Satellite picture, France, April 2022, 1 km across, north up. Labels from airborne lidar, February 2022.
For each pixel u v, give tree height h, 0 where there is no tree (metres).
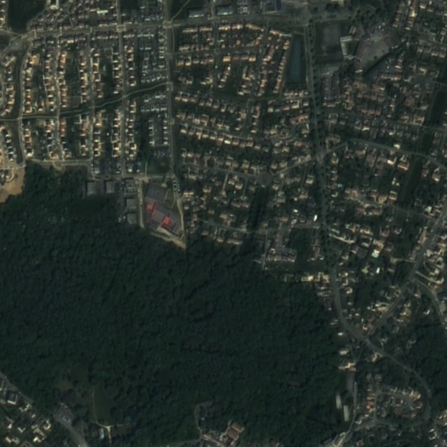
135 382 28
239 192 7
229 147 0
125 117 0
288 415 20
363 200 0
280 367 28
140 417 25
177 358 23
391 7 16
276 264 0
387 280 13
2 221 19
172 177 0
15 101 0
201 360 27
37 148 0
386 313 0
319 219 8
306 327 25
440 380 22
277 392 24
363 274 11
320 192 9
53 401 17
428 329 17
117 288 18
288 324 21
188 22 0
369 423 0
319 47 0
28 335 32
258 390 28
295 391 18
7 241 23
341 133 7
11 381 19
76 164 0
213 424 12
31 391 19
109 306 20
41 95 0
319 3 0
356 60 0
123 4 0
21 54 0
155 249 17
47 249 10
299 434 24
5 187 0
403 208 7
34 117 0
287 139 0
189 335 23
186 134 0
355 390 0
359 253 0
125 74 0
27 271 23
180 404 25
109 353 27
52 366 28
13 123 0
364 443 8
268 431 21
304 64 0
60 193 7
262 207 10
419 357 24
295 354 19
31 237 17
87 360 26
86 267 21
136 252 16
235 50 0
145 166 0
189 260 21
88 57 0
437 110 0
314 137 9
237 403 21
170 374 15
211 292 23
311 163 8
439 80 7
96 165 0
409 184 0
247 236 10
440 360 24
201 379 31
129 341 24
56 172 12
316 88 9
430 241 0
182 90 0
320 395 28
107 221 16
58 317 29
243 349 23
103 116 0
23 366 25
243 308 27
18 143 0
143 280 22
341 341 0
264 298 23
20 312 29
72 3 0
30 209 8
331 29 0
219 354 14
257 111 0
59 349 21
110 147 0
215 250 7
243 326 26
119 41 0
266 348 28
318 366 17
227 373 27
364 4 16
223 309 27
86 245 22
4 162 0
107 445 28
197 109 0
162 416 28
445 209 0
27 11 0
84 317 27
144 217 0
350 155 0
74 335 27
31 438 0
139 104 0
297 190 6
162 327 16
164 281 23
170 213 0
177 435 23
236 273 19
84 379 0
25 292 26
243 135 0
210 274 7
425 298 13
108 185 0
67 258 14
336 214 7
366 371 13
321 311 6
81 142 0
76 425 18
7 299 24
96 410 0
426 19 7
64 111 0
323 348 26
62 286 24
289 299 23
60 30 0
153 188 0
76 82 0
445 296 0
